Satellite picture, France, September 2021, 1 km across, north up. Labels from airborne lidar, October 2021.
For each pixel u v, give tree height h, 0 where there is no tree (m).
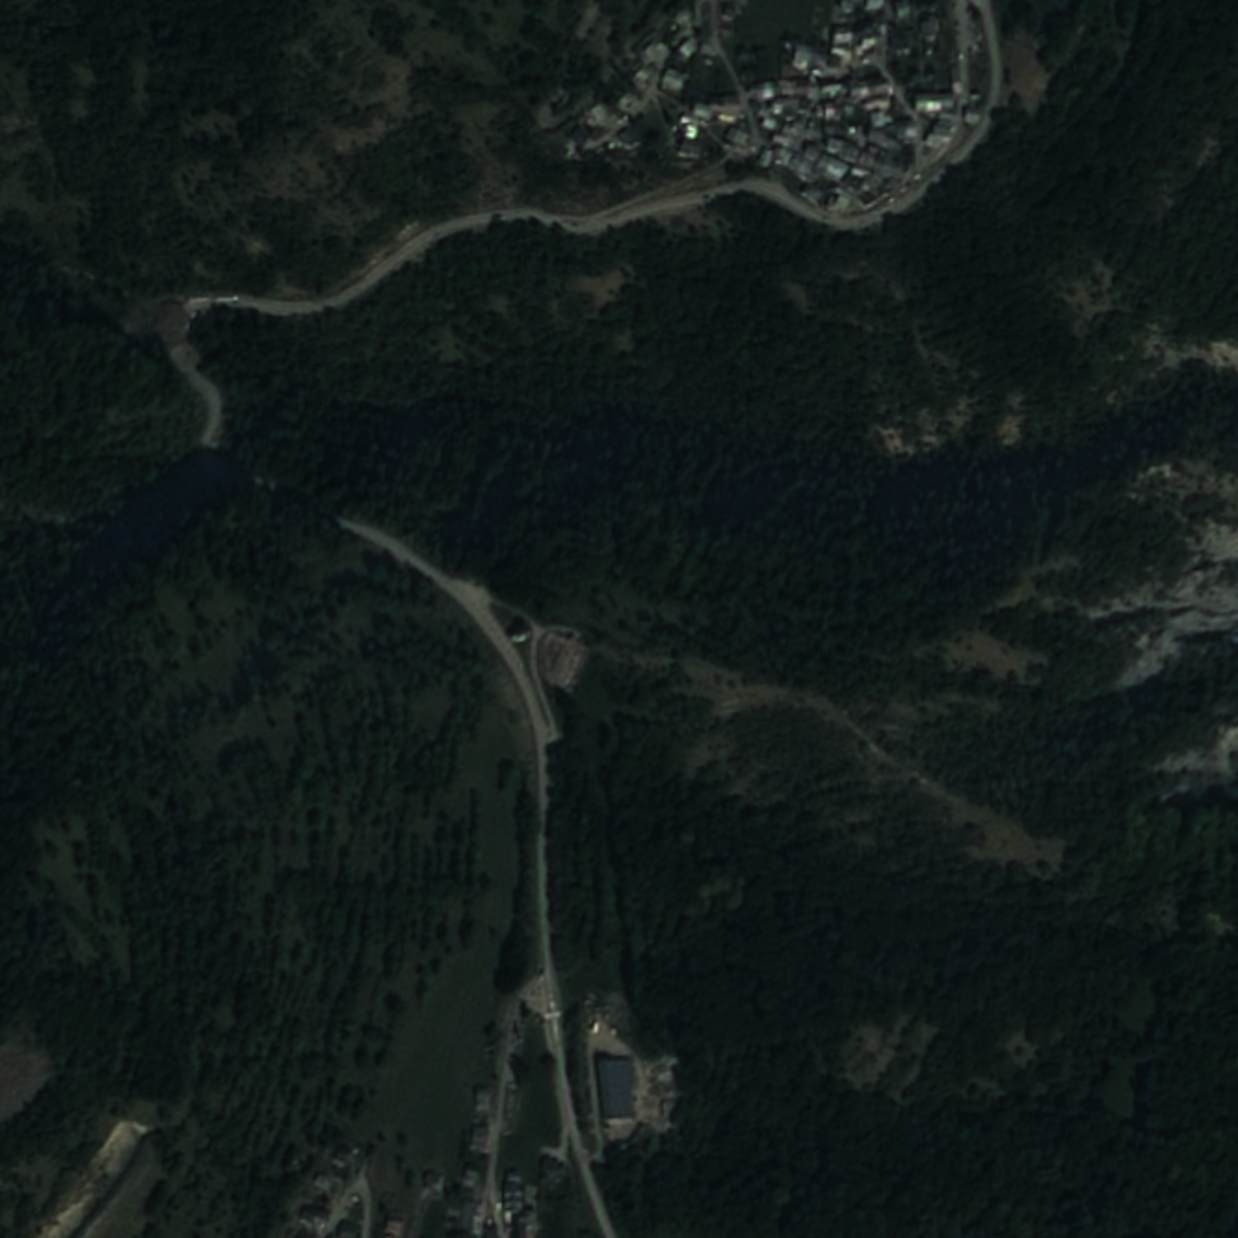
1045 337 17
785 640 12
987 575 34
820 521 25
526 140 16
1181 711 23
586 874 19
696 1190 28
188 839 17
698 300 21
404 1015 16
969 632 10
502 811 0
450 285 19
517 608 11
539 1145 0
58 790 17
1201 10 22
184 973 16
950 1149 37
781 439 27
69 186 16
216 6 23
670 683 9
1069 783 22
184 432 11
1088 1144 28
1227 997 21
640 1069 0
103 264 15
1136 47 15
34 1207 9
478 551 14
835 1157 31
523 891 11
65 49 24
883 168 0
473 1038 0
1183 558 10
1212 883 24
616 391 20
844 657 12
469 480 12
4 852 20
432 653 8
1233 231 22
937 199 15
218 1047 14
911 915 26
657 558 25
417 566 0
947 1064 17
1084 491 24
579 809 17
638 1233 12
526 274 22
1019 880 14
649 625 10
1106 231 20
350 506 12
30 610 17
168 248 17
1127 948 30
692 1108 14
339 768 13
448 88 7
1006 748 11
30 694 25
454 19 15
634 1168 16
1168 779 14
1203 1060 35
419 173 12
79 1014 22
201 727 12
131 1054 12
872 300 16
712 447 23
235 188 10
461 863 16
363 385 27
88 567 23
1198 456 8
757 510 19
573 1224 0
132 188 10
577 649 0
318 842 13
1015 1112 19
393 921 14
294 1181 13
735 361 21
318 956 13
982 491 22
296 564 17
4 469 23
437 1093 0
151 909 17
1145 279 11
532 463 16
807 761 8
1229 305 22
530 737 0
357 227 6
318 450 22
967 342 14
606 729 12
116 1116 8
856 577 23
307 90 7
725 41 0
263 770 17
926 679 10
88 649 24
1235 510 6
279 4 17
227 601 0
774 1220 24
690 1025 21
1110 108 26
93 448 16
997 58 0
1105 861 21
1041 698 22
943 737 6
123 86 8
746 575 16
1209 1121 30
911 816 9
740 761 7
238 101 10
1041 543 12
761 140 0
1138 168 27
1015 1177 17
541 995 0
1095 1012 22
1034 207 16
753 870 32
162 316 0
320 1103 10
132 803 15
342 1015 15
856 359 13
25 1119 15
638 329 22
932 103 0
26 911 10
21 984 23
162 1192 15
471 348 8
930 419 7
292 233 11
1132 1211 34
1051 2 0
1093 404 13
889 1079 11
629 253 8
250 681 10
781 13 0
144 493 12
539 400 22
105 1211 0
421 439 12
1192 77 24
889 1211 16
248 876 13
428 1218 0
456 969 0
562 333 8
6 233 16
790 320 21
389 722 11
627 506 33
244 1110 10
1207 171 13
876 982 18
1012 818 15
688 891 24
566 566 20
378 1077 0
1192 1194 34
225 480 8
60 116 8
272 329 22
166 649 21
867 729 6
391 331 17
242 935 12
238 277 21
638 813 34
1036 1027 17
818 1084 6
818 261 14
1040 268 14
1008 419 6
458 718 11
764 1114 27
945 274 27
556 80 11
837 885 29
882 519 11
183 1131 9
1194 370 15
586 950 10
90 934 9
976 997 15
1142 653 9
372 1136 0
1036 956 21
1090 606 10
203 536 22
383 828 12
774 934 29
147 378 22
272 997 12
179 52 25
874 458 14
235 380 10
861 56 0
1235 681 17
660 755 23
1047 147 16
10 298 21
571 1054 8
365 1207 0
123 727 17
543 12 15
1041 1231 17
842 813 17
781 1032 15
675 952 14
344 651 11
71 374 12
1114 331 21
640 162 11
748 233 19
